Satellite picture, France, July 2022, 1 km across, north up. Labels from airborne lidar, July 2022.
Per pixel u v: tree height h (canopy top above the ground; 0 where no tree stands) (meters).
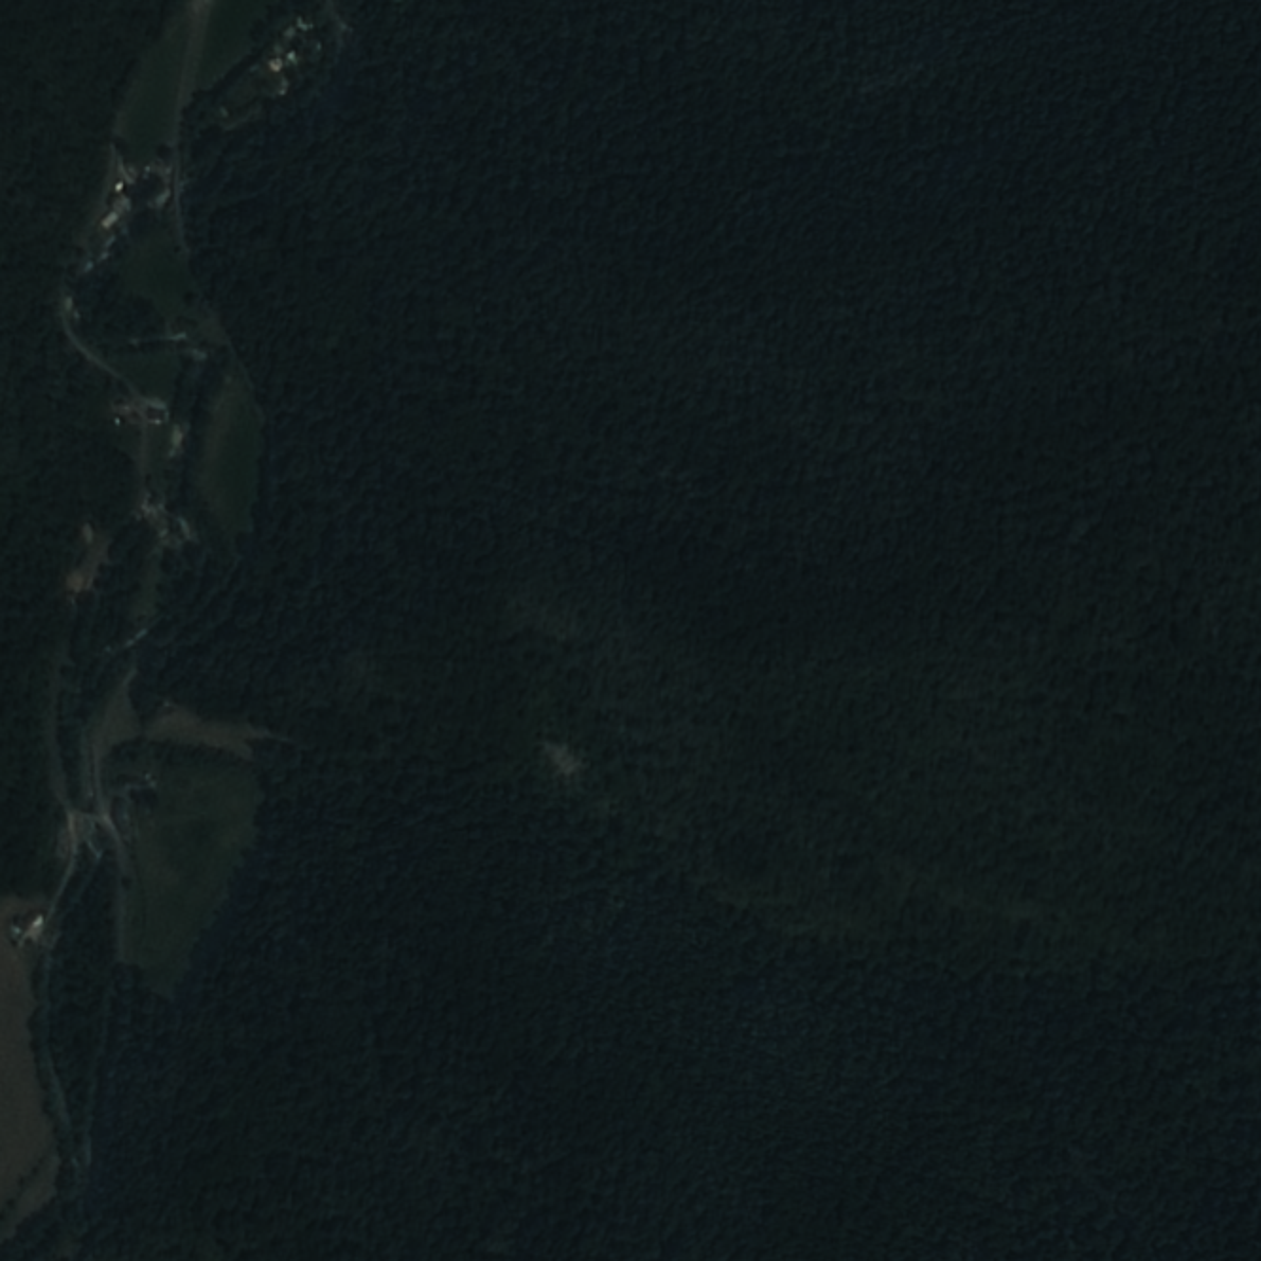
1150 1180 18
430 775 16
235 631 26
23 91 25
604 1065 13
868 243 22
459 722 24
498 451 13
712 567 21
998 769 10
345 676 6
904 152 19
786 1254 15
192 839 0
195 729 0
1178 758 23
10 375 20
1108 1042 31
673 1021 14
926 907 22
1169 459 19
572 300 16
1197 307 18
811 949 29
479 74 23
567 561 17
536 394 17
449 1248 22
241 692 13
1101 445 16
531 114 20
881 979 34
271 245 15
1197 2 27
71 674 14
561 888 28
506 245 10
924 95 22
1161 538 23
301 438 22
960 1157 19
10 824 23
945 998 42
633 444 8
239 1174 10
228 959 20
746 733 17
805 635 15
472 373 18
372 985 17
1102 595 21
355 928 21
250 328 18
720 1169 10
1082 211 16
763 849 23
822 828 19
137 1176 20
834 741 15
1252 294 17
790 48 9
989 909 18
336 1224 20
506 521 24
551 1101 22
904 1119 26
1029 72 22
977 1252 7
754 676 10
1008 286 11
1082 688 23
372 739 32
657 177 19
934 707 13
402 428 14
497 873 24
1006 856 20
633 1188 13
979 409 18
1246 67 27
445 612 10
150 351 13
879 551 12
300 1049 24
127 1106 28
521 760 12
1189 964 29
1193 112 26
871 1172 18
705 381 9
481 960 21
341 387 24
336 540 25
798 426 16
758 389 13
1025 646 13
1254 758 31
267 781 16
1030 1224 15
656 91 26
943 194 15
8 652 22
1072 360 19
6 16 24
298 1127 12
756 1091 16
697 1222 16
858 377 15
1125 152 27
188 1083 22
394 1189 20
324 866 18
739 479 18
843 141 16
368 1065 15
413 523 18
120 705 0
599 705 20
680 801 14
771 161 20
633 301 18
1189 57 27
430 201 19
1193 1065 35
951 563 14
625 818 13
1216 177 25
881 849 18
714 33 18
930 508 18
